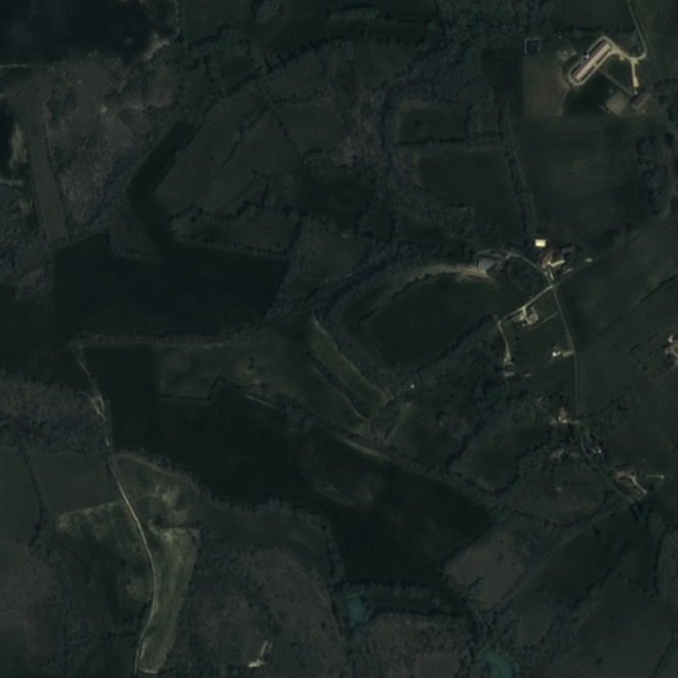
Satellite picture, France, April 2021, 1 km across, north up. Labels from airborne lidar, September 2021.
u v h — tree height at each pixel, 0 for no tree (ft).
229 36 59
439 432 0
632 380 0
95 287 0
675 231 0
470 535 0
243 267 0
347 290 24
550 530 58
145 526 0
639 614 0
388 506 0
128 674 0
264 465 0
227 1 0
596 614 0
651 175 25
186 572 0
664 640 0
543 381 0
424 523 0
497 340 0
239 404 0
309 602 0
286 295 36
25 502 0
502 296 0
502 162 0
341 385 30
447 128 0
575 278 0
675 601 0
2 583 0
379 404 0
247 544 0
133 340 34
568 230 0
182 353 0
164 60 58
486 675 43
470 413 0
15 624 0
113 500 0
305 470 0
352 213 0
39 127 0
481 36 66
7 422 48
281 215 48
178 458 0
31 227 0
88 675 0
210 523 0
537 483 0
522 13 52
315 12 0
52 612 22
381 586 56
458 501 0
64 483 0
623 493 37
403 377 41
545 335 0
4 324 0
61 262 0
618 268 0
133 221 29
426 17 0
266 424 0
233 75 0
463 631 64
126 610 0
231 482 0
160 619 0
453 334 0
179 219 36
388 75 0
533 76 0
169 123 41
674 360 41
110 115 0
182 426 0
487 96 71
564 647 43
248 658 0
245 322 0
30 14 0
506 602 0
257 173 22
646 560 0
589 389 0
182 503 0
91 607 0
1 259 26
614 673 0
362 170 19
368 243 33
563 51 0
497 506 57
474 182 0
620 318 0
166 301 0
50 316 0
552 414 36
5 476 0
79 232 32
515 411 61
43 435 27
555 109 0
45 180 0
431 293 0
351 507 0
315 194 0
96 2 0
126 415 0
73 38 0
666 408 0
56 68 0
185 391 0
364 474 0
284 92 0
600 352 0
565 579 0
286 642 0
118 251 46
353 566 0
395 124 31
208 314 0
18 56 0
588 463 52
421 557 0
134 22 0
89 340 31
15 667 0
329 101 0
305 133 0
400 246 34
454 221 56
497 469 0
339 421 0
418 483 0
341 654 0
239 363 0
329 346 0
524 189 42
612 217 0
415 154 45
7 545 0
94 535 0
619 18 0
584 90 0
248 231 0
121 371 0
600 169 0
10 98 0
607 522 0
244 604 0
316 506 0
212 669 18
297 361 0
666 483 0
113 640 48
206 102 0
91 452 45
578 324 0
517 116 0
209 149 0
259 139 0
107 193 48
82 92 0
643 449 0
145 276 0
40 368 0
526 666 47
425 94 47
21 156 0
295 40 23
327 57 66
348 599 79
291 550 0
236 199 0
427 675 0
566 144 0
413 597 54
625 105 0
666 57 0
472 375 0
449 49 58
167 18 0
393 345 0
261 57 38
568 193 0
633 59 0
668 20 0
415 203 27
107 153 0
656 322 0
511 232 0
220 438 0
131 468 0
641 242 0
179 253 0
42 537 61
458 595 29
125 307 0
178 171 0
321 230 29
